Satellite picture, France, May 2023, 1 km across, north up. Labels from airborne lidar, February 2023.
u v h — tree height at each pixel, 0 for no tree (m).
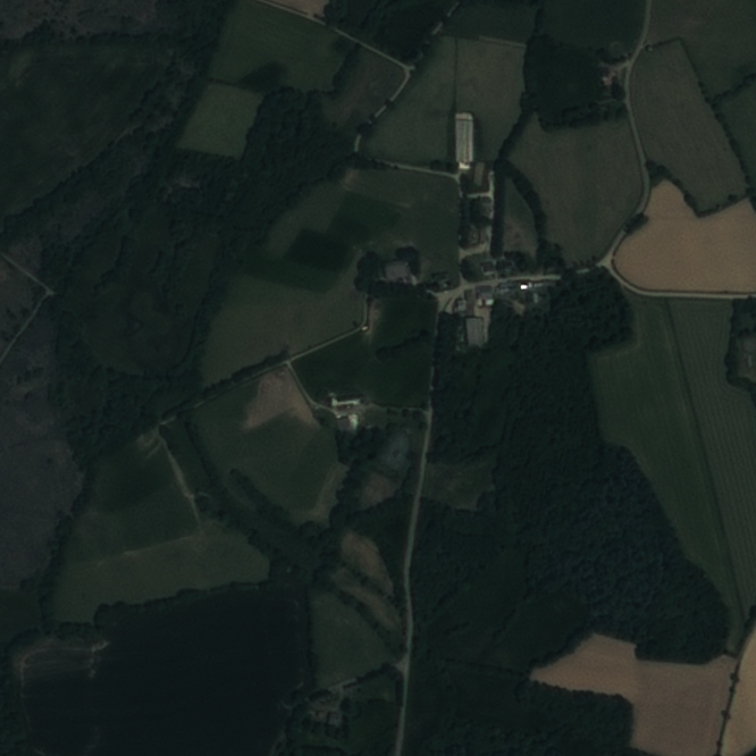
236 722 0
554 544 12
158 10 7
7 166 0
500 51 0
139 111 10
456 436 18
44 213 15
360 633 0
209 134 0
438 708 0
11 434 0
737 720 0
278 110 17
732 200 11
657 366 0
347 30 16
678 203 0
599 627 21
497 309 14
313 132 8
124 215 7
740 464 0
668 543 21
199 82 8
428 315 0
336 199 0
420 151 0
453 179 0
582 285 22
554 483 7
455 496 0
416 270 17
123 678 0
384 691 0
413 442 0
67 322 10
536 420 8
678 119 0
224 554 0
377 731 0
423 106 0
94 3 0
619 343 6
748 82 8
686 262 0
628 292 0
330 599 0
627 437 0
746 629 8
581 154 0
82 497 9
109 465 0
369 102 0
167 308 0
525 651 0
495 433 0
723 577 0
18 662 0
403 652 8
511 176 14
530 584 10
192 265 0
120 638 0
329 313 0
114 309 0
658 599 12
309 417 0
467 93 0
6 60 0
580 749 0
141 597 0
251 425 0
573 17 0
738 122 0
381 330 0
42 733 0
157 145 9
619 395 0
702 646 13
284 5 0
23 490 0
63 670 0
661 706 0
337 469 0
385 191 0
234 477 8
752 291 0
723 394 0
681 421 0
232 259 12
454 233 0
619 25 0
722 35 0
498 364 0
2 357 0
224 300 9
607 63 12
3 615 0
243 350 0
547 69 0
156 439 0
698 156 0
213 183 9
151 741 0
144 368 0
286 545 0
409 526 0
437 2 11
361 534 9
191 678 0
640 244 0
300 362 0
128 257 13
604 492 13
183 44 12
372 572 0
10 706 13
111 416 17
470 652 0
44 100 0
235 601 0
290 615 0
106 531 0
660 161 0
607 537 13
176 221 8
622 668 0
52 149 0
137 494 0
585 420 8
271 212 7
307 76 0
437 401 17
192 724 0
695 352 0
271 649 0
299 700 14
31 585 8
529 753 12
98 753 0
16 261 0
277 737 0
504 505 18
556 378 8
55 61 0
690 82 0
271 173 7
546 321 8
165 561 0
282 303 0
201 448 11
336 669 0
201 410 0
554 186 0
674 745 0
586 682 0
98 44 9
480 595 0
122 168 8
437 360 15
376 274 13
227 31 0
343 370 0
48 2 7
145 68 0
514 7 14
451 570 11
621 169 0
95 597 0
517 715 0
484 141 0
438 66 0
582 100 0
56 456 0
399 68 0
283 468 0
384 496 0
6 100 0
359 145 0
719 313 0
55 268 9
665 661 10
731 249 0
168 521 0
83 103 0
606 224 0
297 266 0
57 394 8
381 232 0
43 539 0
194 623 0
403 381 0
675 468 0
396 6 11
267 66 0
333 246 0
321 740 0
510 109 0
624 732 18
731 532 0
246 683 0
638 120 0
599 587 29
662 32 0
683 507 0
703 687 0
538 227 10
